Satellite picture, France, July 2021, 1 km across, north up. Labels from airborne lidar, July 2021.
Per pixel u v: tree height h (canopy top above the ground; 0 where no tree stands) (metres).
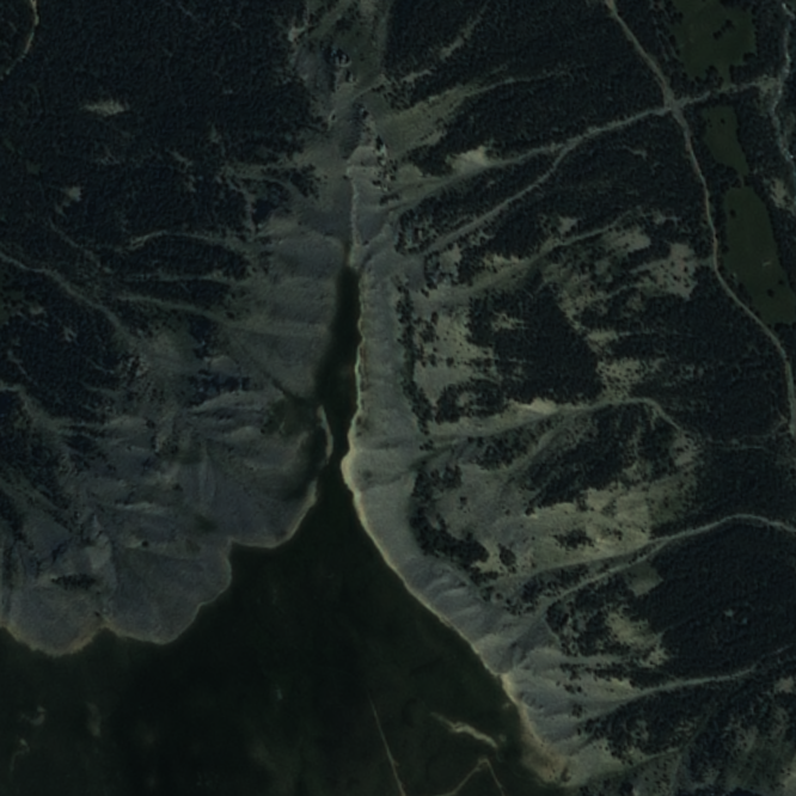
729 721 10
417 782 0
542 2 13
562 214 12
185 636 0
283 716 0
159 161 7
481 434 0
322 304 0
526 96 8
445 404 9
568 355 15
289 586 0
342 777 0
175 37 12
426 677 0
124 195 9
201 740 0
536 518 0
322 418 0
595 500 0
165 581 0
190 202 10
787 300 0
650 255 12
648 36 14
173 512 0
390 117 0
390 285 0
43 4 11
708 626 14
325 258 0
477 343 9
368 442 0
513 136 12
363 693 0
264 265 0
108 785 0
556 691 0
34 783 0
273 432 0
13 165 12
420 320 8
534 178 10
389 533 0
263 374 0
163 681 0
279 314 0
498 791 0
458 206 11
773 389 6
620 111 10
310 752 0
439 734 0
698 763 8
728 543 15
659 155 13
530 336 12
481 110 11
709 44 0
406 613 0
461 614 0
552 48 13
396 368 0
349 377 0
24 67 16
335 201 0
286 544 0
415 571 0
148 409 0
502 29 11
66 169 14
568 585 6
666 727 14
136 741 0
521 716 0
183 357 0
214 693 0
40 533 0
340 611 0
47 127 11
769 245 0
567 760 0
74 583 8
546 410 0
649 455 10
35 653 0
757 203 0
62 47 12
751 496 16
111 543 0
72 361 12
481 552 10
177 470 0
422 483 10
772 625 17
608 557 0
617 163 11
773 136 11
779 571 14
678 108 0
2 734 0
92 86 11
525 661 0
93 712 0
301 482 0
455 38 10
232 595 0
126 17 13
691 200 9
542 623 0
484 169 0
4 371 8
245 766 0
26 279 10
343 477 0
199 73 12
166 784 0
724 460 8
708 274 13
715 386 7
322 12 7
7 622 0
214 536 0
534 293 6
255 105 13
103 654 0
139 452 0
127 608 0
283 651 0
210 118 12
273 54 12
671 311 13
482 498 0
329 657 0
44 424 0
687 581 13
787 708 6
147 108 13
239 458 0
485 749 0
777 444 8
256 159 11
